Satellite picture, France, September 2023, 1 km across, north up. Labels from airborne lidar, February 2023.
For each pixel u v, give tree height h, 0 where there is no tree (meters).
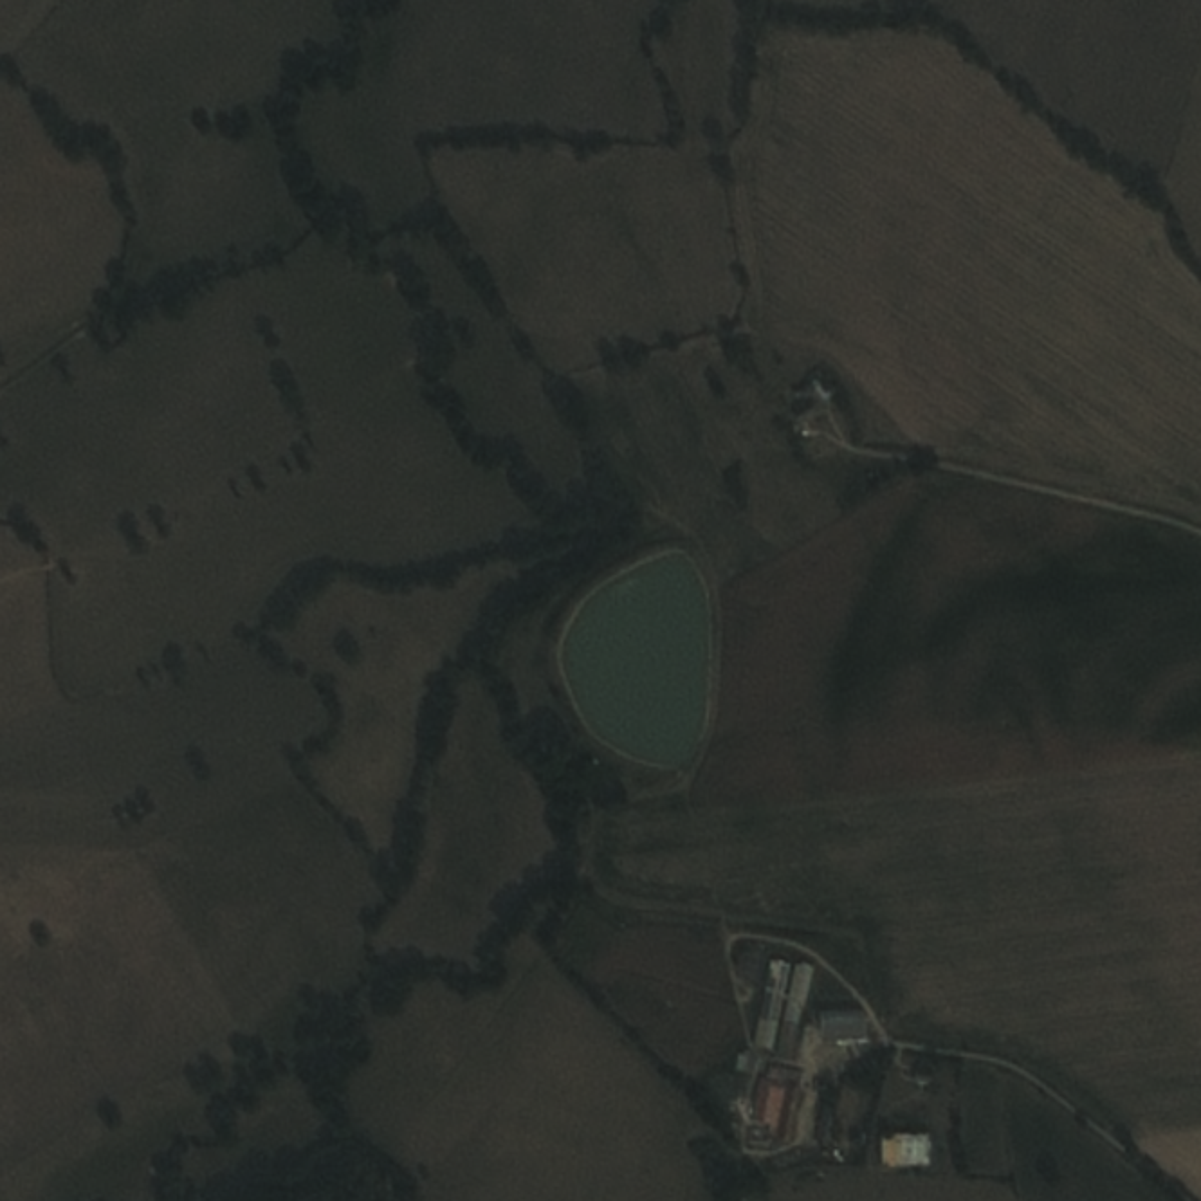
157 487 0
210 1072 20
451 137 11
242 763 0
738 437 0
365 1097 0
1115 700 0
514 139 16
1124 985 0
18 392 0
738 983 0
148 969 0
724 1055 0
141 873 0
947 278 0
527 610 8
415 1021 0
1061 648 0
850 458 0
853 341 0
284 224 0
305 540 0
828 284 0
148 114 0
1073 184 0
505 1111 0
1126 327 0
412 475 0
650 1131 0
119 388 0
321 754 0
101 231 0
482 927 0
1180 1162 0
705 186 0
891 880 0
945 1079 0
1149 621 0
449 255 16
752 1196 0
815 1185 0
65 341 0
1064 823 0
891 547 0
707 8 0
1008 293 0
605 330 0
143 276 0
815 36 0
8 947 0
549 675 0
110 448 0
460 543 0
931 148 0
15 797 0
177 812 0
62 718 0
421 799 14
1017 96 12
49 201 0
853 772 0
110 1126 13
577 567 17
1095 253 0
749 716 0
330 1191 20
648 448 0
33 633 0
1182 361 0
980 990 0
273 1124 0
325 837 0
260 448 0
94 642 0
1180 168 0
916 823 0
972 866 0
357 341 0
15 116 0
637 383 0
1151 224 0
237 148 0
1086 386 0
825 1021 0
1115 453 0
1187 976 0
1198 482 0
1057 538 0
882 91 0
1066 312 0
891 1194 0
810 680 0
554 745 25
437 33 0
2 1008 0
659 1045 0
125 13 0
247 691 0
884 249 0
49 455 0
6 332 0
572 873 22
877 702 0
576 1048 0
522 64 0
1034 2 0
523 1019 0
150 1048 0
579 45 0
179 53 0
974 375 0
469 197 0
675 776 0
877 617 0
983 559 0
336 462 0
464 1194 0
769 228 0
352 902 0
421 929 0
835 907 0
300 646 0
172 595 0
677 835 0
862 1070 11
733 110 13
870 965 0
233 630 0
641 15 0
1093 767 0
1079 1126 10
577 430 16
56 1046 0
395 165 0
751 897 0
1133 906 0
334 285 0
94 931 0
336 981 0
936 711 0
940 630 0
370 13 12
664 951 0
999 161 0
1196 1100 0
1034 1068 0
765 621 0
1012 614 0
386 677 0
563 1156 0
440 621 0
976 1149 0
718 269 0
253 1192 26
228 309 0
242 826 0
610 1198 0
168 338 0
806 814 0
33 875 0
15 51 0
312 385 0
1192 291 0
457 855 0
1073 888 0
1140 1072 0
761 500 0
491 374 0
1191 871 0
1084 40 0
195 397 0
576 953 0
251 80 0
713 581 0
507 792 0
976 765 0
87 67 0
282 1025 0
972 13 0
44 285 0
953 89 0
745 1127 0
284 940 0
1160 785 0
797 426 0
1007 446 0
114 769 0
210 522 0
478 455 17
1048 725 0
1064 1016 0
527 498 15
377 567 0
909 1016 0
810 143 0
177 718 0
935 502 0
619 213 0
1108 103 0
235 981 0
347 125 0
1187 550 0
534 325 0
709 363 0
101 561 0
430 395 12
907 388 0
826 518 0
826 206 0
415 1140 0
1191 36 0
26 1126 0
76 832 0
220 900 0
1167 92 0
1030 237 0
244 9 0
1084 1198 0
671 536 0
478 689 0
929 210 0
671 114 12
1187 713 0
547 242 0
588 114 0
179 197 0
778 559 0
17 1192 0
